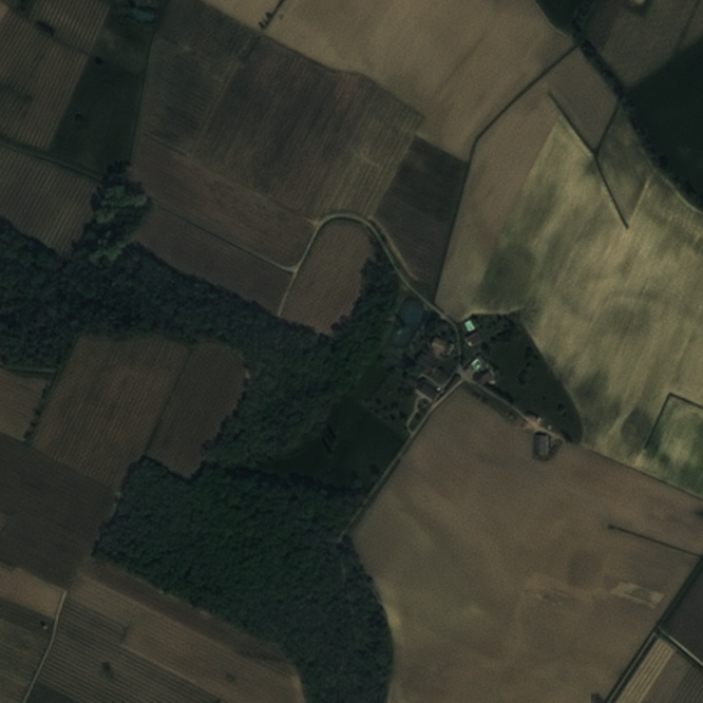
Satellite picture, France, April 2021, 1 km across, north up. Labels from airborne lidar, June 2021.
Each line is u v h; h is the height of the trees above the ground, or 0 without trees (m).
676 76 0
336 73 0
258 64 0
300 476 0
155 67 0
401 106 0
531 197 0
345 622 20
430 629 0
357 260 0
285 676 0
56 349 14
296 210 0
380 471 14
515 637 0
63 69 0
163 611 0
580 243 0
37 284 29
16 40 0
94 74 0
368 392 0
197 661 0
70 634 0
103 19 0
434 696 0
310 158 0
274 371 20
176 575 22
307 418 23
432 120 0
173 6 0
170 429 0
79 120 7
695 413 0
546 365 0
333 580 18
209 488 22
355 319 12
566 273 0
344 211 0
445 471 0
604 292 0
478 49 0
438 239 0
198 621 0
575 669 0
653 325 0
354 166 0
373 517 0
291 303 0
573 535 0
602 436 0
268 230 0
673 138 0
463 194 0
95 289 22
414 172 0
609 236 0
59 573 0
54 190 0
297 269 0
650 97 0
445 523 0
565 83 0
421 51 0
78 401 0
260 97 0
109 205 26
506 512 0
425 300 0
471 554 0
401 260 0
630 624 0
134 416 0
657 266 0
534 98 0
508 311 0
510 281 0
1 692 0
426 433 0
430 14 0
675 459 0
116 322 13
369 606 20
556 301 0
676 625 0
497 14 0
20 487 0
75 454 0
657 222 0
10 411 0
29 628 0
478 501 0
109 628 0
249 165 0
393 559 0
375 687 24
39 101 0
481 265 0
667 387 0
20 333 29
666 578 0
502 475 0
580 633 0
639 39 0
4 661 0
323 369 18
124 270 15
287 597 14
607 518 0
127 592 0
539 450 0
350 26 0
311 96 0
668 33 0
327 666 17
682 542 0
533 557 0
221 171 0
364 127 0
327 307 0
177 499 22
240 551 22
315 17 0
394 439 0
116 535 21
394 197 0
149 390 0
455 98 0
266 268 0
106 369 0
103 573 0
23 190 0
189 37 0
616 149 0
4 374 0
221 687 0
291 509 20
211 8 0
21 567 0
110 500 0
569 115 0
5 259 12
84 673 0
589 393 0
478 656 0
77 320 19
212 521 21
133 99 0
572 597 0
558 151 0
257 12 0
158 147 0
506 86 0
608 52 0
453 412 0
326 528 26
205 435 0
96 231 14
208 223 0
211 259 0
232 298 17
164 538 22
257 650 0
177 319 21
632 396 0
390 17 0
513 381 0
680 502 0
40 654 0
